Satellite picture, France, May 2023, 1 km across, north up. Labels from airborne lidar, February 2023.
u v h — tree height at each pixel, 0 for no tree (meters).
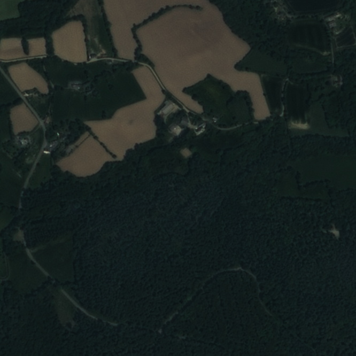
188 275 27
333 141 22
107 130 0
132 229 21
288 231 22
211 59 0
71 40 0
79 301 30
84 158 0
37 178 0
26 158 0
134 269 24
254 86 0
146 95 0
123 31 0
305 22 0
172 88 0
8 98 0
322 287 20
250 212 23
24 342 12
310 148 20
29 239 26
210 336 18
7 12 0
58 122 0
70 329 31
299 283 19
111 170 11
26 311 25
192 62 0
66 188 22
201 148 0
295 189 0
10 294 18
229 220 23
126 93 0
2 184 0
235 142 0
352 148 25
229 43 0
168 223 16
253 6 9
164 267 27
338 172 0
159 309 24
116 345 26
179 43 0
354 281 20
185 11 0
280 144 19
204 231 23
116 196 27
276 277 25
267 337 22
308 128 0
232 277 20
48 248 0
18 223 27
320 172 0
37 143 0
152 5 0
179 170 0
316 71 0
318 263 18
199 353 29
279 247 26
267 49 18
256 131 16
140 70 0
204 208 29
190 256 28
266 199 24
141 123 0
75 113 0
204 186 8
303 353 28
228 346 25
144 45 0
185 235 22
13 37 0
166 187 24
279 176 20
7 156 0
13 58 0
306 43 0
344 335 22
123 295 25
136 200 26
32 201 22
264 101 0
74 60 0
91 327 21
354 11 11
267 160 25
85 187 19
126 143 0
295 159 19
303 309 21
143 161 19
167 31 0
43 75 7
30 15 18
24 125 0
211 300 19
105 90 0
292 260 25
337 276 19
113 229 16
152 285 25
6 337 28
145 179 18
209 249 22
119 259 21
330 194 16
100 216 27
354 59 31
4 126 0
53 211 13
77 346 27
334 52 0
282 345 25
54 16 14
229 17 26
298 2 0
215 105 0
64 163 0
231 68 0
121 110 0
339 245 12
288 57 20
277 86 0
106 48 0
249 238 31
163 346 27
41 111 0
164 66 0
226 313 20
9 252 23
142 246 13
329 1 0
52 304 25
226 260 24
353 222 21
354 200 17
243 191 21
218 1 24
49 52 16
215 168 11
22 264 0
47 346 13
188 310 18
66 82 0
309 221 6
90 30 0
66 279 0
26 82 0
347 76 16
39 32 11
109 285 22
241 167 11
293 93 0
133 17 0
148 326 24
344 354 22
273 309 25
